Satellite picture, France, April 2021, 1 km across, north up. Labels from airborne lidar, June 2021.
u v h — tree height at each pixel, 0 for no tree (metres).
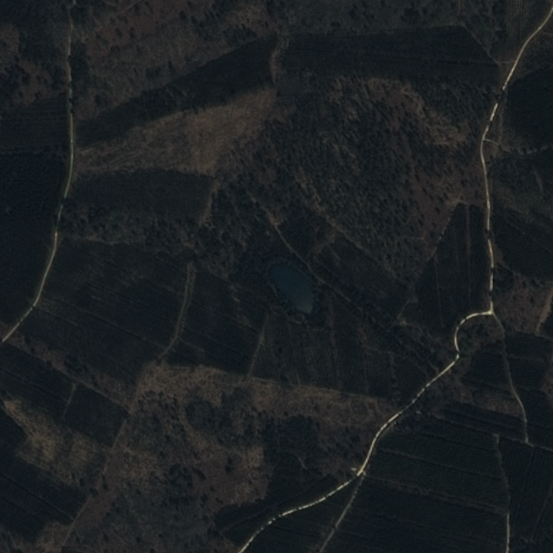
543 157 9
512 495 10
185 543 10
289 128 11
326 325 19
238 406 0
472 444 9
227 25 8
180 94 13
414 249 6
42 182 13
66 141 7
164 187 12
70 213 17
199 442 0
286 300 15
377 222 20
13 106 13
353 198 19
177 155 11
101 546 7
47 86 11
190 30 11
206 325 8
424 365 13
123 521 8
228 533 8
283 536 9
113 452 0
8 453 9
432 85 17
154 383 0
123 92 14
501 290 15
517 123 9
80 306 9
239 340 9
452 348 20
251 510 10
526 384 9
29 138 7
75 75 15
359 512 8
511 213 9
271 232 11
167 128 0
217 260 15
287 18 15
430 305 10
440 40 12
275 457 14
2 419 13
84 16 19
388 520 11
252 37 20
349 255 9
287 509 9
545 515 9
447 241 8
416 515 9
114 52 13
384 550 9
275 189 11
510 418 10
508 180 24
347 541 7
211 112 0
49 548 0
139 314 8
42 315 9
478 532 10
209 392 0
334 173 18
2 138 8
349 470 12
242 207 20
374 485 8
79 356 12
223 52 10
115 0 12
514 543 11
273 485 10
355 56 9
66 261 7
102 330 8
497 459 7
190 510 9
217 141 0
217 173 9
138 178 10
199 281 7
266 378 7
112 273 6
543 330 11
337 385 7
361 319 12
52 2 16
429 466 10
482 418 10
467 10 9
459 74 9
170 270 8
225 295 7
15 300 11
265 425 20
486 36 19
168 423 7
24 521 12
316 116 16
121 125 6
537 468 11
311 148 23
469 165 13
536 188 23
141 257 7
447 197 10
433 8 9
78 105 23
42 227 11
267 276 15
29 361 8
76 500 8
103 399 6
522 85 11
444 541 8
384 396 9
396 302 8
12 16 16
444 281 7
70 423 6
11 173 13
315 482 10
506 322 8
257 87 7
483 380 9
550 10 0
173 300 8
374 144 15
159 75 15
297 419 10
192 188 12
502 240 15
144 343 7
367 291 9
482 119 19
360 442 14
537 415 10
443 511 8
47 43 15
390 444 5
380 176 17
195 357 8
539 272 12
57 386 9
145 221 10
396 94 0
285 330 6
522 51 0
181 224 16
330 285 9
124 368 7
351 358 7
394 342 14
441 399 7
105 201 12
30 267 11
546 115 10
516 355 9
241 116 0
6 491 9
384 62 11
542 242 10
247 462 0
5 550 14
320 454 13
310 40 11
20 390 8
